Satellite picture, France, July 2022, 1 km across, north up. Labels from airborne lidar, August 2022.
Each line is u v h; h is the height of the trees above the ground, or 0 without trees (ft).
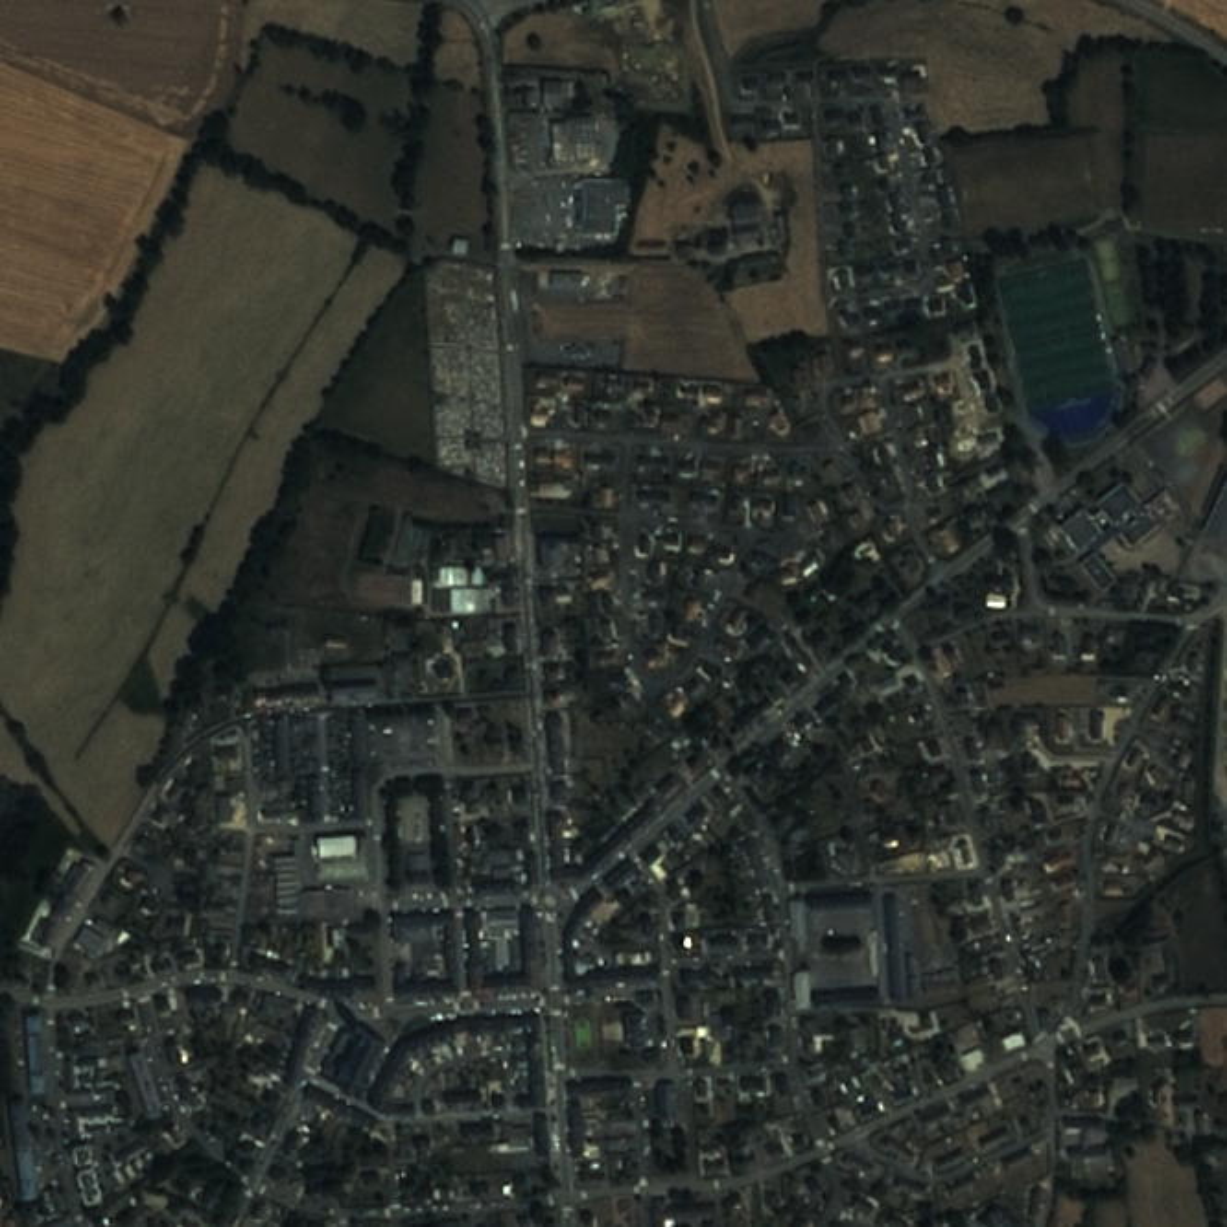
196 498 0
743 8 0
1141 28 0
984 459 0
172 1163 39
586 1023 0
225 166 77
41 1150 0
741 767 33
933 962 0
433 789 30
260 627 0
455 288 0
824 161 0
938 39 0
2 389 0
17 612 0
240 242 0
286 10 0
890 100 0
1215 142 0
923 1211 28
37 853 0
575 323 0
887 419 0
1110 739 0
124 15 42
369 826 0
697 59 0
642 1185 0
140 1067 0
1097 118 0
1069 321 0
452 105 0
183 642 0
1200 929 0
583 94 30
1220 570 0
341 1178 22
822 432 0
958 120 0
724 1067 0
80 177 0
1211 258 61
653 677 0
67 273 0
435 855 28
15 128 0
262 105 0
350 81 0
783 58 0
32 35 0
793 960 0
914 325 68
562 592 0
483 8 0
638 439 0
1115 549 0
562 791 0
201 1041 22
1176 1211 0
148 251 71
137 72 0
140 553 0
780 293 0
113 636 0
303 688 0
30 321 0
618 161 19
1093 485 27
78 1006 0
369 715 35
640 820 0
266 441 0
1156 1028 0
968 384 0
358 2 0
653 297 0
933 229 0
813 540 0
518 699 0
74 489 0
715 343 0
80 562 0
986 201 0
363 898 0
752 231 0
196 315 0
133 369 0
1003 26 0
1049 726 0
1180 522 0
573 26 0
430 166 0
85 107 0
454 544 0
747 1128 24
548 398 0
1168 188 0
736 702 23
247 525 0
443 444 0
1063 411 0
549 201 0
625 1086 0
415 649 33
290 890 0
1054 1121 0
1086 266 0
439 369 0
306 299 0
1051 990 0
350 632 0
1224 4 0
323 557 0
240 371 0
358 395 0
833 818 0
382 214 0
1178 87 0
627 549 0
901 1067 18
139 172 0
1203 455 0
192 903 53
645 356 0
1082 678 0
